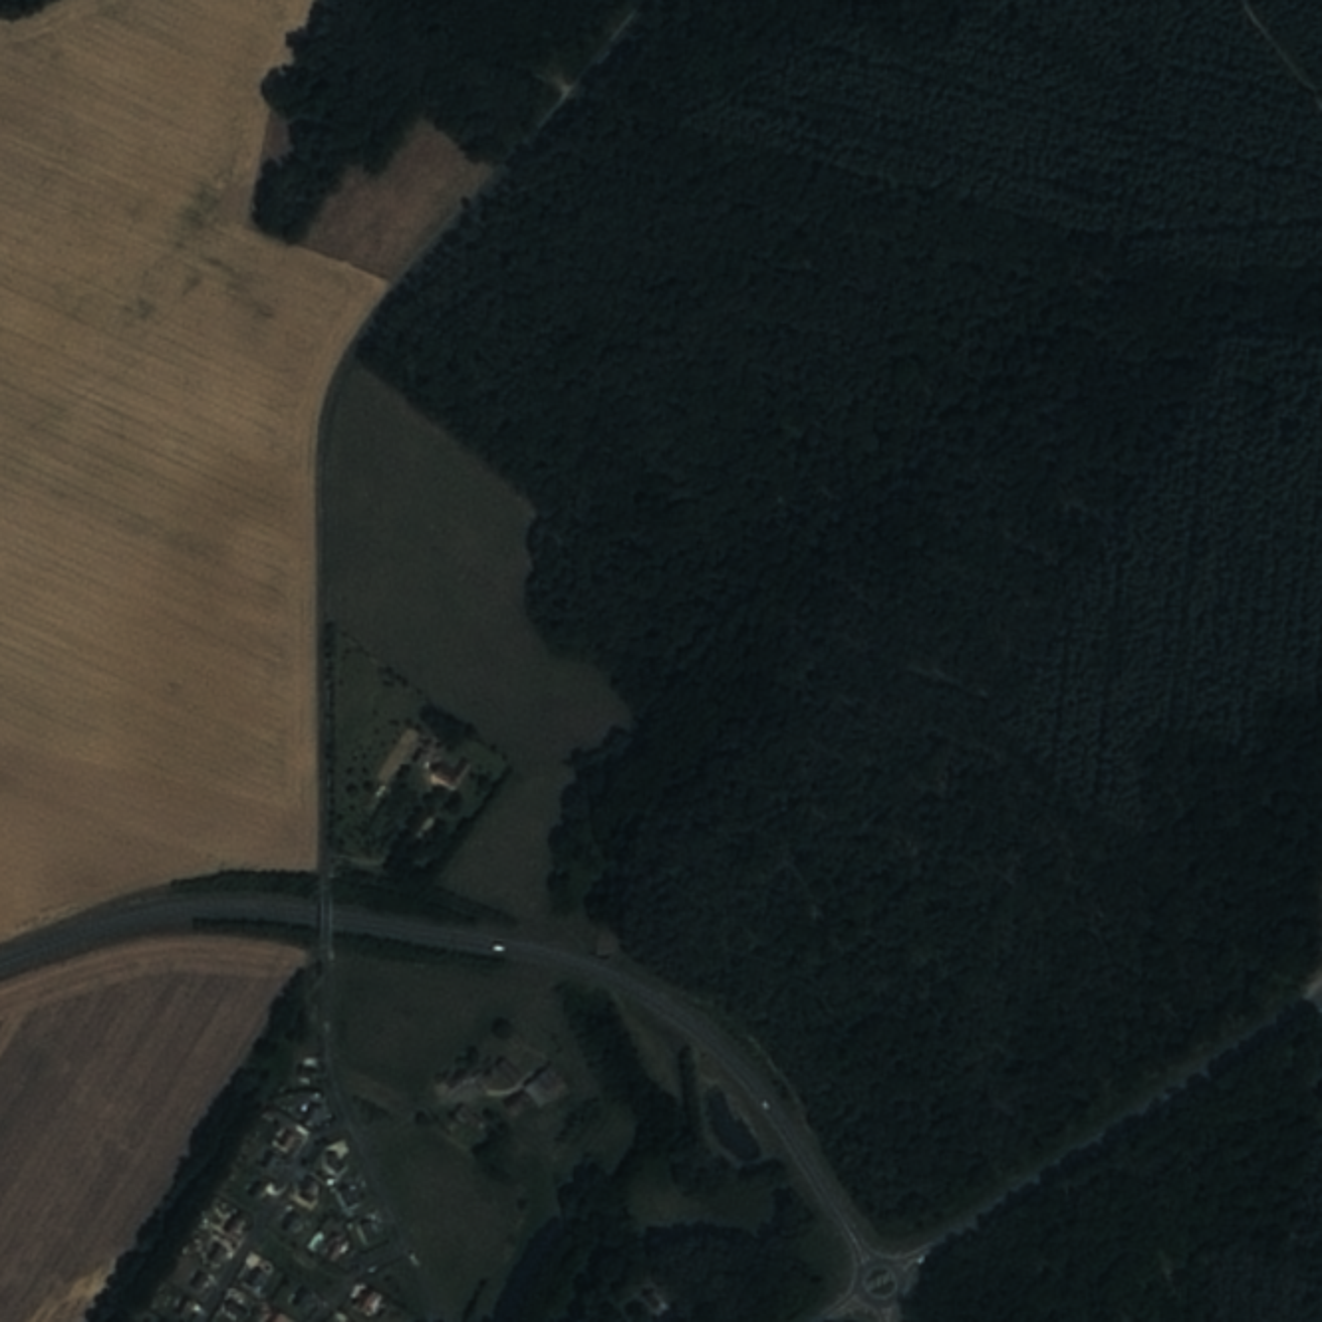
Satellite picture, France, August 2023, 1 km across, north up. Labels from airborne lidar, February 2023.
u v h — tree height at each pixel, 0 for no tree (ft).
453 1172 0
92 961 0
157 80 0
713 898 61
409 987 0
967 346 53
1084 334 59
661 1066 0
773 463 63
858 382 64
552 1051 0
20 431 0
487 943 0
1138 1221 61
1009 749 50
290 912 0
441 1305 0
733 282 62
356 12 66
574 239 58
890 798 59
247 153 0
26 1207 0
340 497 0
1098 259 90
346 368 0
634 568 74
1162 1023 54
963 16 84
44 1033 0
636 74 74
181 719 0
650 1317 47
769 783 77
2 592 0
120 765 0
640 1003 0
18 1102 0
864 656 55
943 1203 52
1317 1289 56
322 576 0
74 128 0
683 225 58
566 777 0
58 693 0
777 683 79
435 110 69
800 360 57
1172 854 64
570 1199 59
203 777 0
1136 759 61
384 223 0
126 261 0
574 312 64
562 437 73
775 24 69
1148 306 94
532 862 0
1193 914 61
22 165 0
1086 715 67
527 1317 115
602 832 100
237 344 0
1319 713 61
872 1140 74
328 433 0
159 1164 0
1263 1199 53
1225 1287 64
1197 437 69
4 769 0
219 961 0
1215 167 60
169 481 0
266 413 0
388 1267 0
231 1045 0
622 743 49
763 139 65
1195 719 73
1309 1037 66
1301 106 66
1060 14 68
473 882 0
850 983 62
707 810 61
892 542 76
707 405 57
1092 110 78
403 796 20
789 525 78
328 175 57
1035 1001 55
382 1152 0
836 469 75
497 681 0
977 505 61
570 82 0
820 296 58
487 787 28
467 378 62
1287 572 56
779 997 56
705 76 79
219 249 0
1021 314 57
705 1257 73
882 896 53
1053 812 51
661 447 56
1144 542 73
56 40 0
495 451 53
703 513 63
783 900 66
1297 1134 48
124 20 0
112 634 0
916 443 46
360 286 0
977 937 42
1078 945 73
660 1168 0
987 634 55
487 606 0
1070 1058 65
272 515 0
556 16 45
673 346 58
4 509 0
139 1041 0
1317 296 89
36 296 0
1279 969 65
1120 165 73
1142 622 67
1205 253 66
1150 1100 0
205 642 0
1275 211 66
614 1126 0
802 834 61
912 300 68
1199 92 61
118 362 0
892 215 66
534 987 0
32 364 0
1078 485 77
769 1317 72
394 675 21
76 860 0
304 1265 0
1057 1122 49
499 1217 0
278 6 0
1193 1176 67
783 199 46
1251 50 65
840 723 62
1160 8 63
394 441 0
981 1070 66
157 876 0
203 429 0
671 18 41
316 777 0
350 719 0
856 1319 0
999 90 68
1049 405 74
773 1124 0
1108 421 90
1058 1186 59
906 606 54
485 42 42
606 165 54
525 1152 0
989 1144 72
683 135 54
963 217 57
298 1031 22
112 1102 0
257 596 0
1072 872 61
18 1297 0
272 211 57
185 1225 49
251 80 0
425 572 0
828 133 63
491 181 0
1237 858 68
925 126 69
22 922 0
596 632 79
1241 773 65
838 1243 0
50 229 0
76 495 0
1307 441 70
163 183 0
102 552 0
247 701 0
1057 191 76
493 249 58
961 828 58
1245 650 68
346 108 77
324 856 0
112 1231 0
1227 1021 63
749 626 116
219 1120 42
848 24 78
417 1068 0
